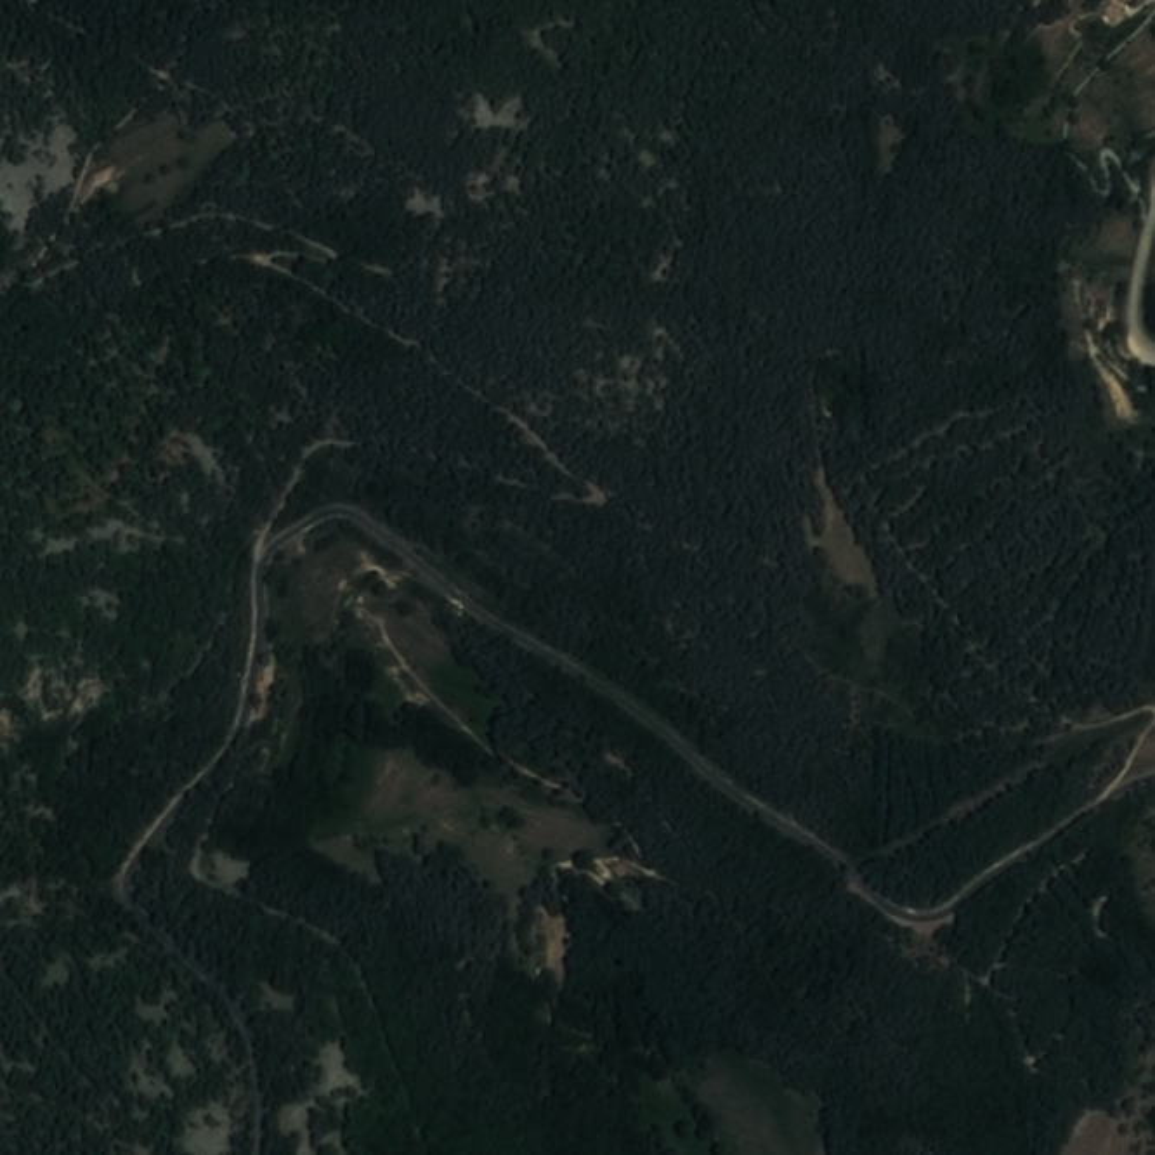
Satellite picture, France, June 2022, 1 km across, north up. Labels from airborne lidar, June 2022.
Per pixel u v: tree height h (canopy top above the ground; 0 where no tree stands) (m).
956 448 18
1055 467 18
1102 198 13
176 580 15
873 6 16
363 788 0
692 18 16
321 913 15
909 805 20
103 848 18
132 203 0
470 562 16
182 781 8
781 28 18
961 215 15
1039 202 17
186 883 16
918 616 15
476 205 13
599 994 20
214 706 12
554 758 7
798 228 15
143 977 12
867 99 17
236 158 10
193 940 25
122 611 13
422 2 19
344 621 10
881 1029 10
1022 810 25
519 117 11
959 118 15
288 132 8
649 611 8
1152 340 0
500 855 0
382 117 13
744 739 12
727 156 18
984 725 15
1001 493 18
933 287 19
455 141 6
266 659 12
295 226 15
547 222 16
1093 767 8
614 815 15
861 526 13
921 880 17
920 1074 12
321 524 10
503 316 15
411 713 23
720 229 16
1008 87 12
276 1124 15
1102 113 0
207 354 15
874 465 17
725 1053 13
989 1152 14
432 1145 16
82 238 14
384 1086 11
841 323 21
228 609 12
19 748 7
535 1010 20
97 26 12
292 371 10
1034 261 12
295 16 11
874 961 13
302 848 14
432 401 15
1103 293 0
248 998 20
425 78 17
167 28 15
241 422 12
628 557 13
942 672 12
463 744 19
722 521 15
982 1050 10
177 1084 11
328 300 6
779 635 13
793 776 14
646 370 13
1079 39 0
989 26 16
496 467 12
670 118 16
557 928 0
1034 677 21
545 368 11
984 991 16
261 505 15
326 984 13
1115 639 14
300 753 10
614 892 18
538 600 9
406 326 15
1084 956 19
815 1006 17
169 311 18
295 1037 19
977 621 18
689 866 13
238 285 15
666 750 13
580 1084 22
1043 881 20
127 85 9
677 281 10
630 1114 17
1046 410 20
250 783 14
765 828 15
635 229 22
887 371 14
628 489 15
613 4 20
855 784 13
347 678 9
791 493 17
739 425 21
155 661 12
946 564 19
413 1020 18
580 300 16
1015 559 17
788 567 18
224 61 12
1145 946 21
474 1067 18
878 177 19
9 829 8
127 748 17
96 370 14
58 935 13
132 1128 11
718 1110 0
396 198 10
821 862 16
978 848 20
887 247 19
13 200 0
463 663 12
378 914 15
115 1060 12
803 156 20
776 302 18
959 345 14
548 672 15
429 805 0
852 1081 18
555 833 0
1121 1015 28
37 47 13
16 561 14
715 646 13
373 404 14
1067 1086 22
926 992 9
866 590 14
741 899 15
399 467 11
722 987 17
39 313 21
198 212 12
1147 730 0
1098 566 14
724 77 17
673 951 25
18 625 9
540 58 20
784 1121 0
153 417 8
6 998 13
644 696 12
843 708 8
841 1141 26
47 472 20
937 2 14
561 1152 21
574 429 9
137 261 15
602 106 23
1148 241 0
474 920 18
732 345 16
